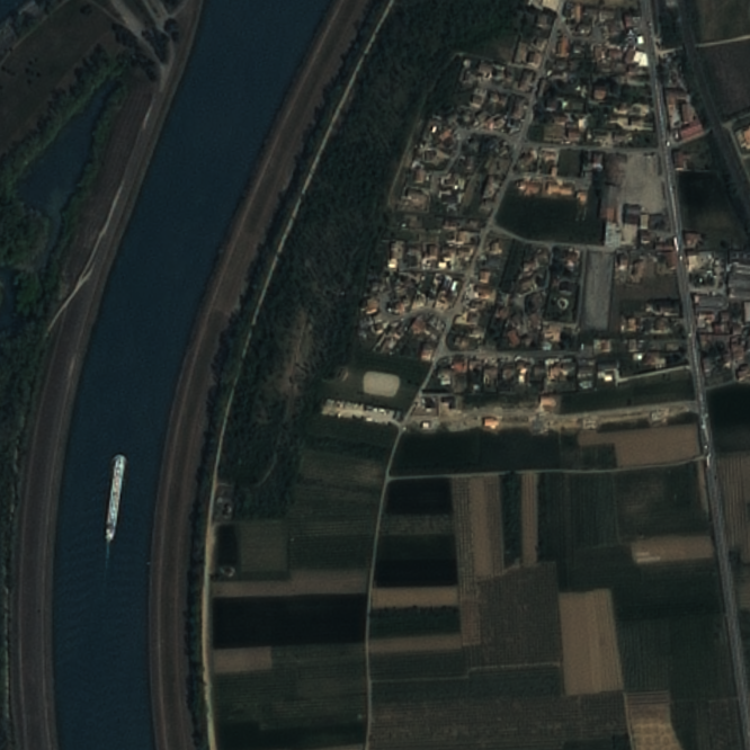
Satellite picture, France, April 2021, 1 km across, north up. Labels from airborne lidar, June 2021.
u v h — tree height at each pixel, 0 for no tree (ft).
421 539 0
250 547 0
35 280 23
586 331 0
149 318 0
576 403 0
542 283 40
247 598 0
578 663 0
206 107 0
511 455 0
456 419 0
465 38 50
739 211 53
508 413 0
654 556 0
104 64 80
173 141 0
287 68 0
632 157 0
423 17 20
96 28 0
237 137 0
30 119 0
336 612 0
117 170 0
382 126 25
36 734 0
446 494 0
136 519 0
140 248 0
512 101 19
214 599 0
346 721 0
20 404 88
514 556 0
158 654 0
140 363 0
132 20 0
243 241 0
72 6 0
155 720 0
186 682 0
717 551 0
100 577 0
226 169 0
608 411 0
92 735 0
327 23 0
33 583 0
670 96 0
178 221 0
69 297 0
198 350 0
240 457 31
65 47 0
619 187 0
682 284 0
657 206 0
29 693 0
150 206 0
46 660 0
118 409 0
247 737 0
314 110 0
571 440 0
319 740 0
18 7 0
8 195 80
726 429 0
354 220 42
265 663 0
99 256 0
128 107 0
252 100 0
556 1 0
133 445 0
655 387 0
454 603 0
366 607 0
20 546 0
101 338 0
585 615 0
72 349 0
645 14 0
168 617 0
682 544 0
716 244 0
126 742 0
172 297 0
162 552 0
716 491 0
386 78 20
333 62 0
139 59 37
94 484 0
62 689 0
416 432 0
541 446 0
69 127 0
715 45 0
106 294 0
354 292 67
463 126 29
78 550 0
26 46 0
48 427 0
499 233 0
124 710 0
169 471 0
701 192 0
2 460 47
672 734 0
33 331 68
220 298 0
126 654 0
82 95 64
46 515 0
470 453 0
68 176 0
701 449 0
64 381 0
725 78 0
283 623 0
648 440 0
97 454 0
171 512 0
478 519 0
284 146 0
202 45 0
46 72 0
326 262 48
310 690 0
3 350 90
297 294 29
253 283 62
